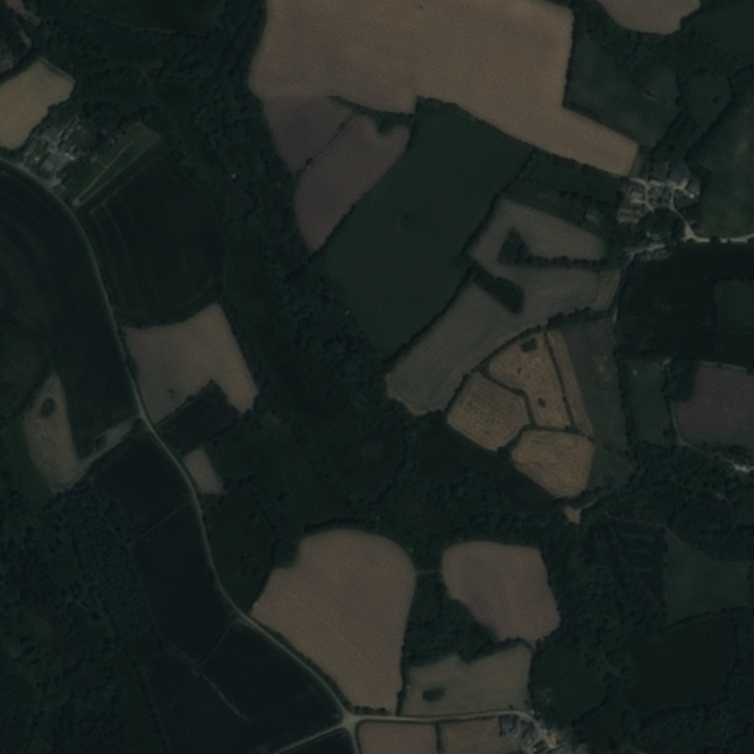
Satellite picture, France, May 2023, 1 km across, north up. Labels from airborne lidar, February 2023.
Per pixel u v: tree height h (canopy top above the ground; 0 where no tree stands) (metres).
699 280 0
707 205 0
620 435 0
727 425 0
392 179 0
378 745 0
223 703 0
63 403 0
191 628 0
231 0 14
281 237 8
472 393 0
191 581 0
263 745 0
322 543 0
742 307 0
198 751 0
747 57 0
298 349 16
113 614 19
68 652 0
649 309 0
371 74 0
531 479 0
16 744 21
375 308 0
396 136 0
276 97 0
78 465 0
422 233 0
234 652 0
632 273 10
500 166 0
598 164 0
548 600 0
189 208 0
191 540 0
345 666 0
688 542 12
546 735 0
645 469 6
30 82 0
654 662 0
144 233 0
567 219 0
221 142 15
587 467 0
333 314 7
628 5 0
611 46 8
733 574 0
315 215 0
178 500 0
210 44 14
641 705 0
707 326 0
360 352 12
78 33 19
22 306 0
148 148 0
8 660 20
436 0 0
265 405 17
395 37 0
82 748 38
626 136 0
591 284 0
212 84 14
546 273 0
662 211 10
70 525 17
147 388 0
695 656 0
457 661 0
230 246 7
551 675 0
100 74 7
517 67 0
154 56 16
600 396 0
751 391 0
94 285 0
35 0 16
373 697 0
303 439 16
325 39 0
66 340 0
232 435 9
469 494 7
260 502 16
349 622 0
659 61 10
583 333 0
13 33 12
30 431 0
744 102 12
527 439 0
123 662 0
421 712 0
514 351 0
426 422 11
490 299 0
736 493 16
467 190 0
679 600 0
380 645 0
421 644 10
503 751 0
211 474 0
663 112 0
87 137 0
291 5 0
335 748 0
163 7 0
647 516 0
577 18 13
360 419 0
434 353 0
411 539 8
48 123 8
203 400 0
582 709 0
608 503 14
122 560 19
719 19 0
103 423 0
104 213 0
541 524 12
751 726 11
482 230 10
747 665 11
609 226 0
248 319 0
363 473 0
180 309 0
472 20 0
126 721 14
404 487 14
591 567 14
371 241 0
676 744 9
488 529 7
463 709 0
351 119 0
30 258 0
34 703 15
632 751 0
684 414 0
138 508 0
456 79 0
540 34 0
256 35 12
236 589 0
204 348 0
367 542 0
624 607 15
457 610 7
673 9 0
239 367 0
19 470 0
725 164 0
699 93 0
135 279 0
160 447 0
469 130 0
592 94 0
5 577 10
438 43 0
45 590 29
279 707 0
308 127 0
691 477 8
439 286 0
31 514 22
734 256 0
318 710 0
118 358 0
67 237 0
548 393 0
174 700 0
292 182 11
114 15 0
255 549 0
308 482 0
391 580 0
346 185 0
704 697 0
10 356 0
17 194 0
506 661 0
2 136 0
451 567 0
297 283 20
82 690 0
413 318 0
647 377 0
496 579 0
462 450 0
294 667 0
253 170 0
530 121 0
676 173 0
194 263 0
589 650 0
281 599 0
